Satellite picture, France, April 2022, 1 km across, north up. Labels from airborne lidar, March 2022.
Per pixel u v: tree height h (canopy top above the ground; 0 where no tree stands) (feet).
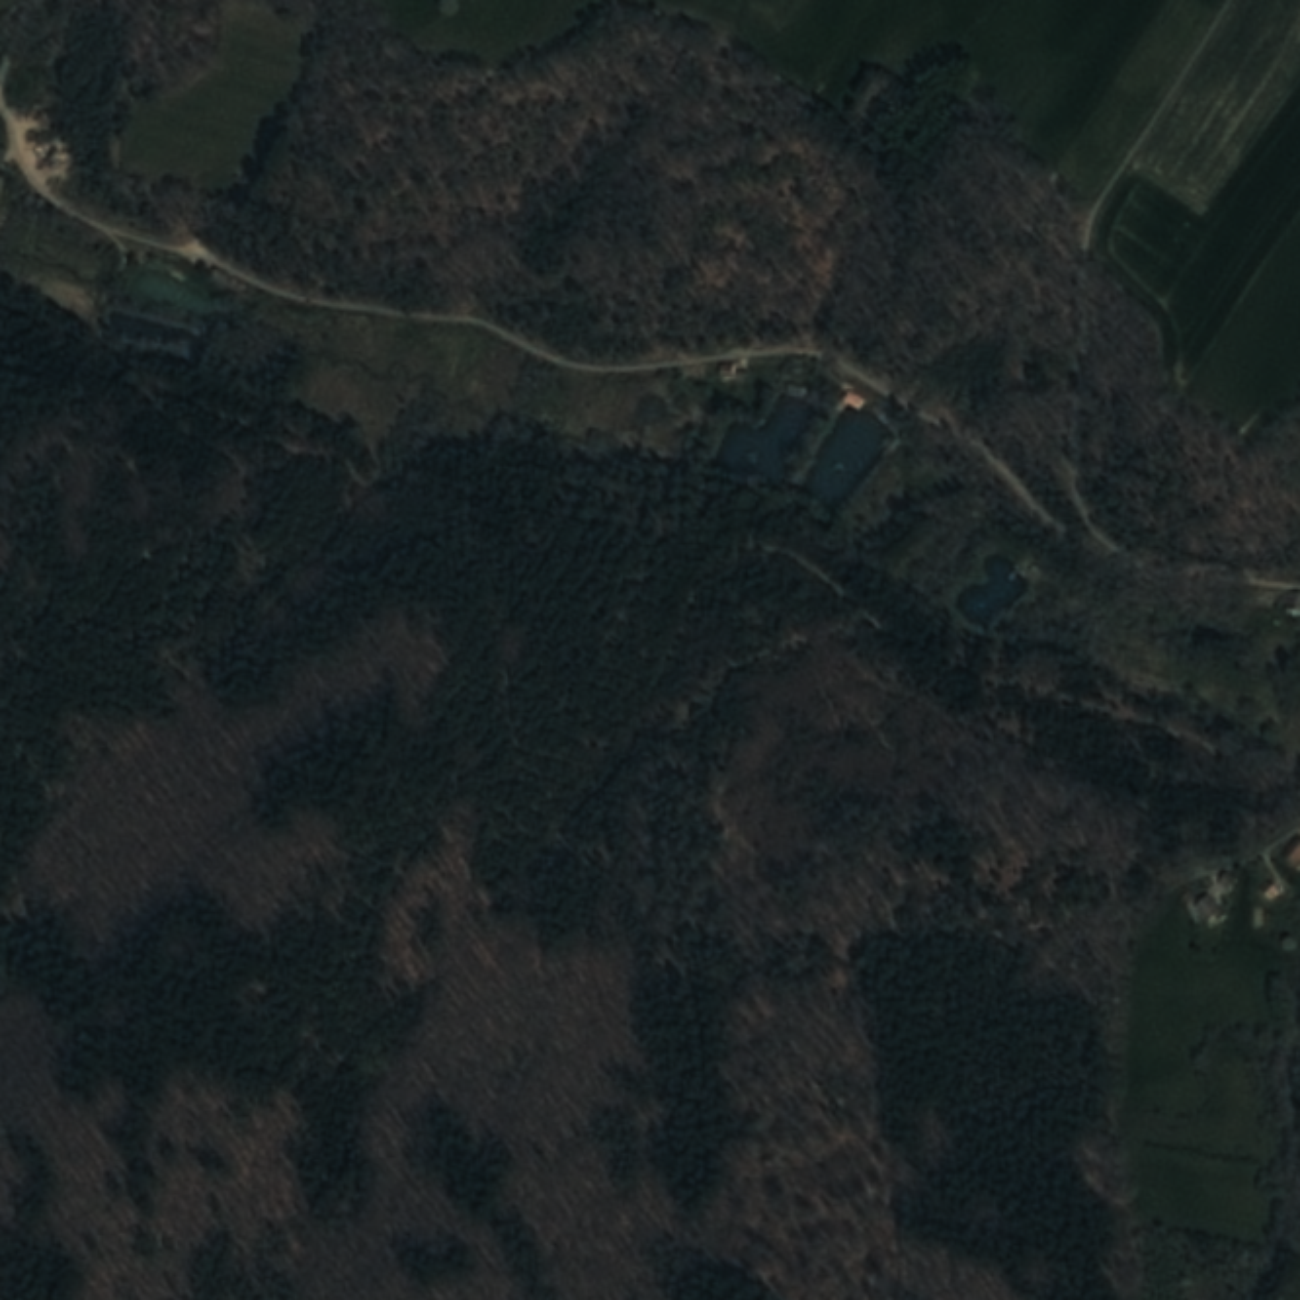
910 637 72
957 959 77
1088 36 0
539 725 52
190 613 66
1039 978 81
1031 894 21
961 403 41
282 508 53
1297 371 0
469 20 0
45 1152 80
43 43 57
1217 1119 0
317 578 77
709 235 25
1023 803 88
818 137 91
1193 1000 0
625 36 97
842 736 25
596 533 57
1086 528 42
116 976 79
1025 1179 80
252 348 54
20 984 96
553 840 63
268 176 68
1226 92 0
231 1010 67
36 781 66
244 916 70
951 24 0
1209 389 0
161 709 62
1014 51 0
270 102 0
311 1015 54
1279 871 22
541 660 59
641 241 92
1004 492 84
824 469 0
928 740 32
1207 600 62
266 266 73
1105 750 30
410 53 80
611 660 54
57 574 52
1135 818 67
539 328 30
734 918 83
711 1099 94
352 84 86
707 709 17
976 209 93
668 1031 80
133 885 88
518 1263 82
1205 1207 0
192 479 46
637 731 46
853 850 89
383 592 86
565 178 42
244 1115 56
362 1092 77
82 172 31
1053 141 0
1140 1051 0
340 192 77
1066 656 61
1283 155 0
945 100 135
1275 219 0
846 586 19
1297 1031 52
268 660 82
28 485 71
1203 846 23
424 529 57
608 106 88
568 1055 69
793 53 0
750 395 0
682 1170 82
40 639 63
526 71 71
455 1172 94
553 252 84
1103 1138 69
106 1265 88
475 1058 74
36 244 0
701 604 26
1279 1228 55
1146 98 0
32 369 52
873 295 76
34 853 73
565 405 0
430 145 93
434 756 63
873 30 0
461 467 52
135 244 0
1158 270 0
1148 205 0
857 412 0
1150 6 0
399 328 0
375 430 0
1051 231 87
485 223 74
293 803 103
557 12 0
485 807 65
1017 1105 60
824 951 60
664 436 0
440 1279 101
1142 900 35
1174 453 69
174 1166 94
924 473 75
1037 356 61
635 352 72
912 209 90
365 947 53
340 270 67
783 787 31
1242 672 45
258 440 43
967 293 84
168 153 0
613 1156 67
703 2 0
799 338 81
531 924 70
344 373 0
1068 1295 102
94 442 48
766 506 69
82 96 45
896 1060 105
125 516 45
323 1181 67
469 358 0
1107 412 80
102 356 48
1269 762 100
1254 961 0
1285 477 91
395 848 57
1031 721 27
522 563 55
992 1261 111
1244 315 0
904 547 57
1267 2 0
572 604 59
